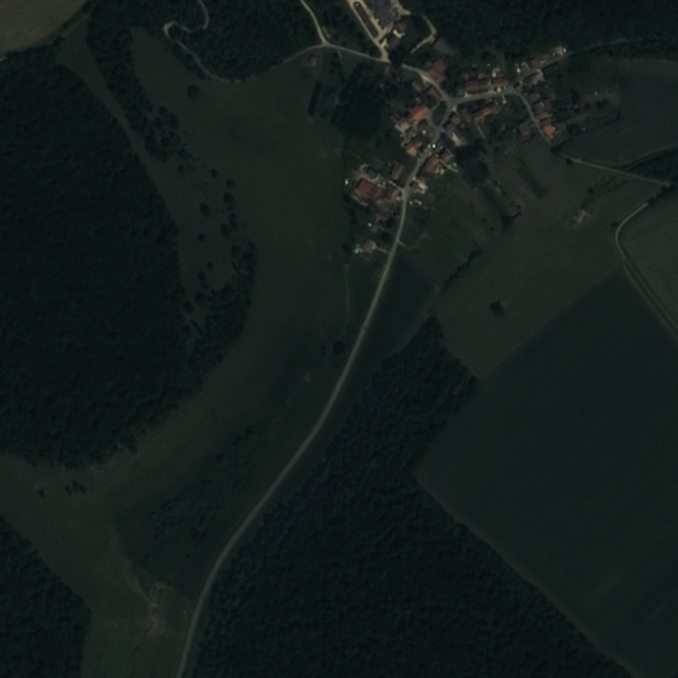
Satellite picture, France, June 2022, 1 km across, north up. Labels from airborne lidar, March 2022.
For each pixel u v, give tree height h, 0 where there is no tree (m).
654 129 0
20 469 0
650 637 0
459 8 15
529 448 0
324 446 0
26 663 20
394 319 0
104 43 19
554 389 0
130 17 18
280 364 0
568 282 0
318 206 0
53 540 0
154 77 0
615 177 0
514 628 15
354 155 0
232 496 0
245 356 0
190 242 0
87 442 20
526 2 18
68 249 16
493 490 0
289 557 19
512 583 18
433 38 0
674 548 0
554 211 0
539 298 0
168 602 0
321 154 0
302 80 0
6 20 0
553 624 21
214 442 0
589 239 0
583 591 0
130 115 20
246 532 0
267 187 0
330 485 23
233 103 0
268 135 0
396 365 21
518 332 0
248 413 0
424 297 0
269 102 0
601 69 0
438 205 0
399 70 0
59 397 17
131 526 0
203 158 0
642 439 0
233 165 0
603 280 0
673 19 19
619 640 0
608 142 0
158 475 0
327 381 0
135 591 0
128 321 21
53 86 24
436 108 0
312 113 14
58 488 0
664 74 0
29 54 14
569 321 0
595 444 0
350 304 0
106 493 0
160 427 0
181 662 0
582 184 0
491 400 0
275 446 0
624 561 0
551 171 0
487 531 0
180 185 0
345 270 0
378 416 13
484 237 0
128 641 0
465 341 0
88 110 16
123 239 17
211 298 11
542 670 19
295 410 0
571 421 0
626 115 0
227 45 17
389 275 0
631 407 0
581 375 0
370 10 0
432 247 0
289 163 0
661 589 0
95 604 0
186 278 0
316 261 0
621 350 0
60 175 18
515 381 0
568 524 0
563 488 0
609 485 0
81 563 0
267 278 0
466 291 0
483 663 18
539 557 0
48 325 17
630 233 0
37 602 23
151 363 17
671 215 0
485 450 0
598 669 22
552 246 0
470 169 25
